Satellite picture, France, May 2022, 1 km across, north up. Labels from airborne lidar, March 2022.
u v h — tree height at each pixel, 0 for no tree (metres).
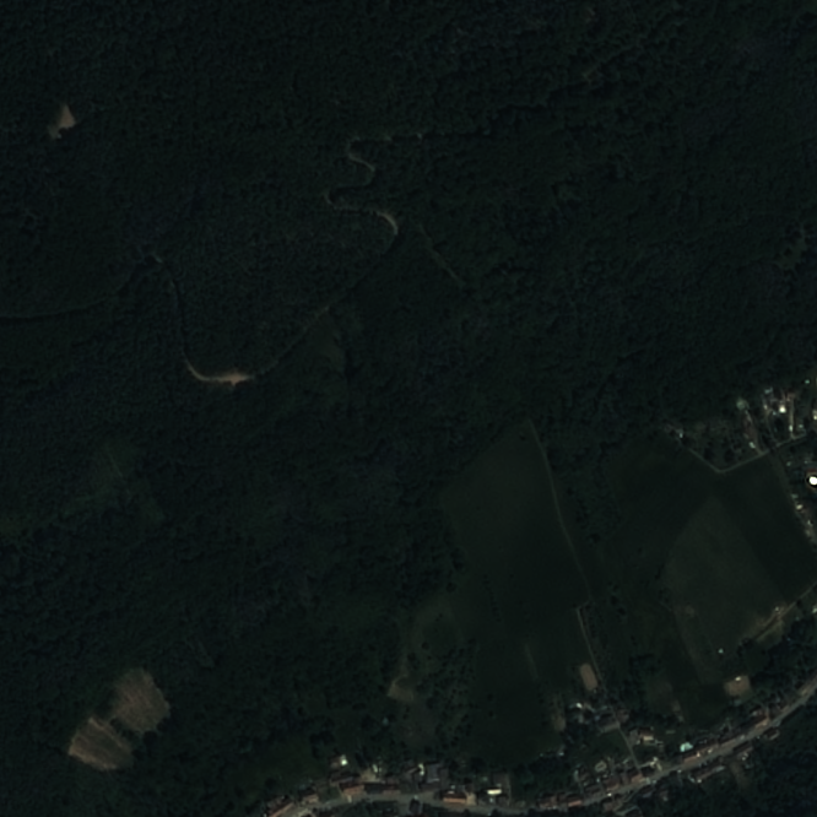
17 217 24
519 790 0
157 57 25
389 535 19
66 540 24
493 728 0
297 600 13
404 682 0
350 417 34
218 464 23
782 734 0
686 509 0
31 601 27
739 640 0
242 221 16
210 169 23
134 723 0
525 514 0
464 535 0
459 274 19
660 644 0
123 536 26
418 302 20
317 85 21
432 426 14
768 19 18
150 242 27
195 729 25
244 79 23
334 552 25
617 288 18
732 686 0
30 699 25
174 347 21
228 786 0
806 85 12
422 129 17
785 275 14
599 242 25
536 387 24
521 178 33
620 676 0
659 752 0
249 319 15
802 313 18
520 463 0
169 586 20
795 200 24
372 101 17
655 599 0
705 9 29
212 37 25
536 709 0
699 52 20
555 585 0
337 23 22
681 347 15
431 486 20
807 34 21
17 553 20
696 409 18
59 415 20
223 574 16
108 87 21
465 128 22
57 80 21
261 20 18
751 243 20
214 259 15
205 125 21
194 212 25
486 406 13
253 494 19
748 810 20
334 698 8
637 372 29
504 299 24
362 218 14
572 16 23
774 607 0
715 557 0
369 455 27
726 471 0
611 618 0
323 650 21
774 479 0
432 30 18
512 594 0
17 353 20
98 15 22
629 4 20
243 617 18
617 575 0
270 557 19
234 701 22
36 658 25
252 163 21
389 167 23
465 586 0
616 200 28
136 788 22
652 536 0
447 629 0
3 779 25
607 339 26
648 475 0
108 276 18
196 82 22
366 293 23
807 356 21
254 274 13
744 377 19
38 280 19
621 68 33
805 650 13
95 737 0
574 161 27
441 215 25
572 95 32
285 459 21
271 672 23
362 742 0
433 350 29
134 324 26
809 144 19
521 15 24
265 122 21
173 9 24
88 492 15
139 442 22
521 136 31
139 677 0
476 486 0
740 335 24
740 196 20
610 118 25
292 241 16
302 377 21
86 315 18
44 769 22
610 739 0
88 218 16
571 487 10
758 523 0
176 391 21
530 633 0
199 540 24
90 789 17
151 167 20
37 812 20
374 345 21
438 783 0
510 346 25
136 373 23
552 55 26
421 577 12
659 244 25
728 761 0
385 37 21
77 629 21
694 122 22
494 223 23
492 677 0
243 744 25
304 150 22
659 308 26
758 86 20
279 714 12
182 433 23
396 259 20
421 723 0
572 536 0
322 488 22
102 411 20
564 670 0
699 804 12
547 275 22
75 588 28
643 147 27
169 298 23
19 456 18
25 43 22
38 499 21
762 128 21
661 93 26
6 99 20
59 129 0
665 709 0
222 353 9
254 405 18
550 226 23
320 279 20
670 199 24
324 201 9
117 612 21
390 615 21
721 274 21
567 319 22
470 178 31
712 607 0
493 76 27
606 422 19
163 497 25
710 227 19
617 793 0
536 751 0
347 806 0
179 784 20
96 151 24
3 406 22
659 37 21
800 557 0
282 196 21
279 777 0
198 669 9
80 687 24
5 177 17
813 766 18
